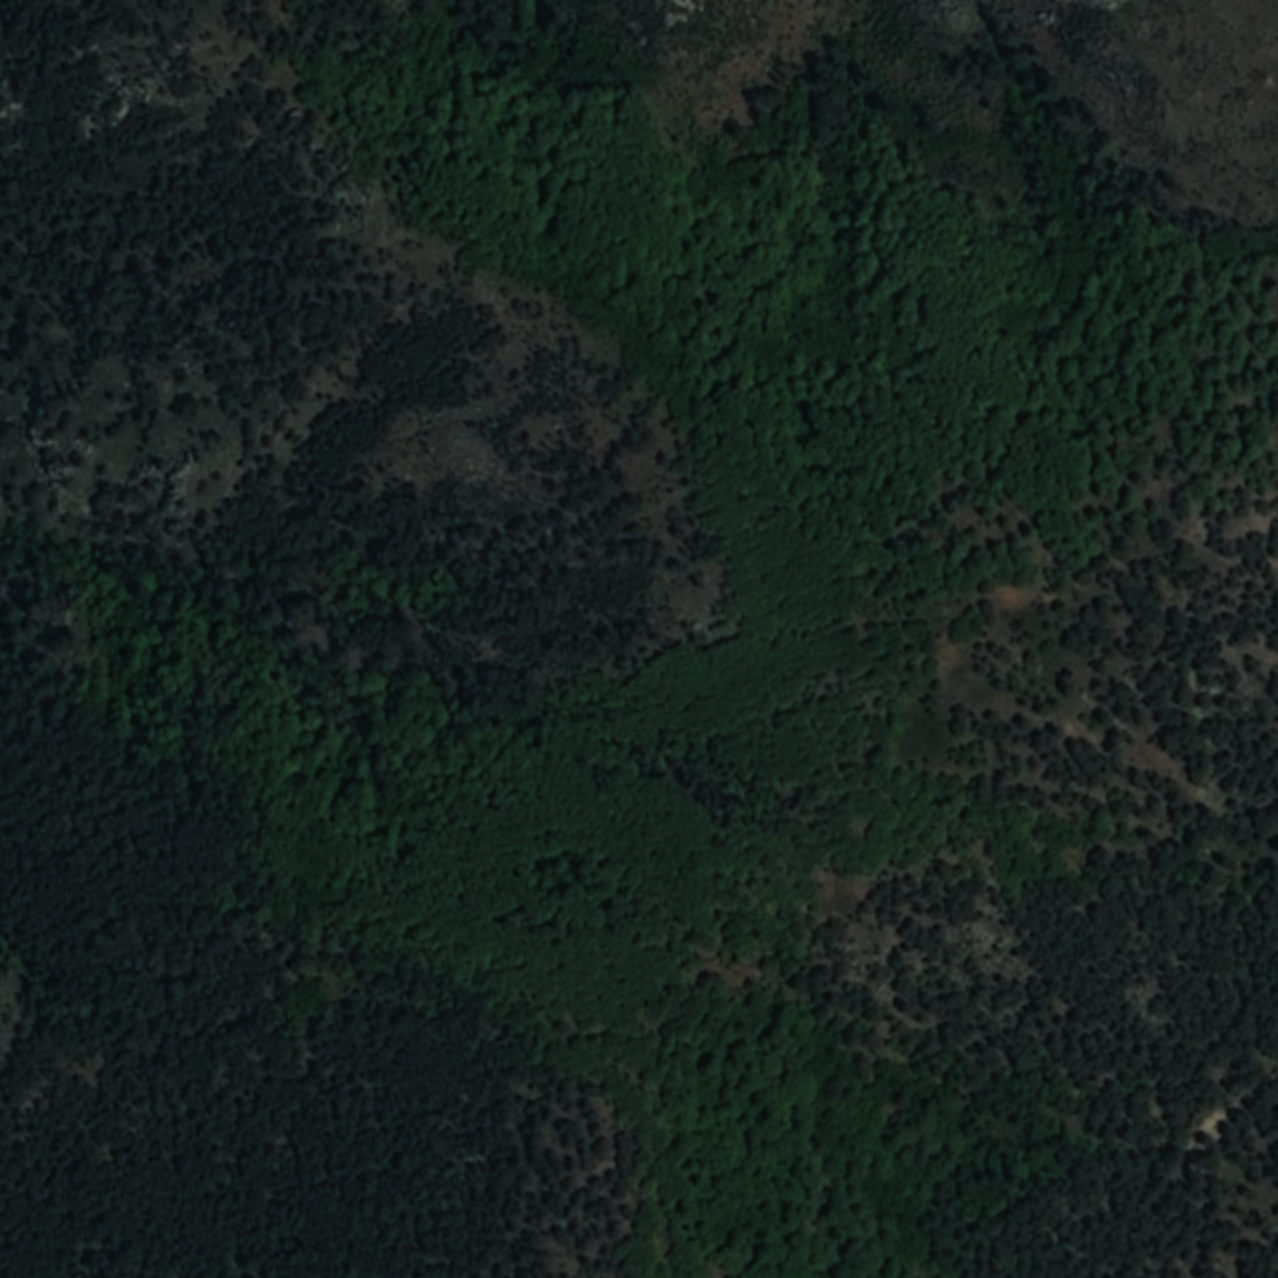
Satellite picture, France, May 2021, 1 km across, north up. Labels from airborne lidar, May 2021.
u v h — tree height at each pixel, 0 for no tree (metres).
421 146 25
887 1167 30
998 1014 19
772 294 33
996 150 6
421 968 24
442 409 9
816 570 18
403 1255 22
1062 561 16
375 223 0
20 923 29
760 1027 14
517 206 28
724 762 19
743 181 19
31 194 13
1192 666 8
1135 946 20
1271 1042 33
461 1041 14
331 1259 24
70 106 15
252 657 9
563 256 15
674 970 16
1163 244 8
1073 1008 24
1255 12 0
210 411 17
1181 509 17
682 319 18
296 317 21
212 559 29
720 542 14
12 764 19
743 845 13
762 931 21
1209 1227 24
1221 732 29
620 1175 9
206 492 15
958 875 18
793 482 25
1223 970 32
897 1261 20
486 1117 18
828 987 17
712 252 28
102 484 12
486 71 7
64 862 14
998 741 16
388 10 23
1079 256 21
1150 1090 26
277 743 28
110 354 13
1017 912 19
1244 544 15
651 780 18
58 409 13
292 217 20
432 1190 15
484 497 6
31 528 19
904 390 25
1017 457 28
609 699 20
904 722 18
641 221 31
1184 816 24
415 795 16
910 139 6
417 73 16
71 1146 17
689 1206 29
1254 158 0
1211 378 15
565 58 6
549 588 20
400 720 23
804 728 14
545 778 24
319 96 20
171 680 19
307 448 17
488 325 13
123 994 22
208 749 23
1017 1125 27
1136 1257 33
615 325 9
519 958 21
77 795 19
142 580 27
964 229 23
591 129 26
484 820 23
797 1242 30
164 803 25
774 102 34
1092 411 27
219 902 8
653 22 7
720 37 7
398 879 24
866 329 17
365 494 22
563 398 7
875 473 25
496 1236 13
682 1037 25
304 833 22
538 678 18
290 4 8
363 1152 21
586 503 23
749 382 31
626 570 17
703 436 19
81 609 13
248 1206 23
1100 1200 26
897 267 28
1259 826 26
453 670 7
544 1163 19
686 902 22
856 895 0
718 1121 24
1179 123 0
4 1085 16
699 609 0
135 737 9
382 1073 15
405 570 26
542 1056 11
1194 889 28
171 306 15
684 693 14
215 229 23
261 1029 20
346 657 23
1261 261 20
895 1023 30
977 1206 16
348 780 14
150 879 23
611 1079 14
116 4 14
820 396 27
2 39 20
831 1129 18
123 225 21
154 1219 26
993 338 24
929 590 11
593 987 17
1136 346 27
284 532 30
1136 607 23
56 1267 23
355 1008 16
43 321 18
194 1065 18
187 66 11
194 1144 21
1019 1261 16
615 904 20
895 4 6
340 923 15
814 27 8
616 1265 11
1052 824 15
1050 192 16
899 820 23
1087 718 11
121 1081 18
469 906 26
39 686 18
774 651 14
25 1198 16
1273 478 10
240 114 15
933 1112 33
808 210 22
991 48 27
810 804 13
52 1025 20
